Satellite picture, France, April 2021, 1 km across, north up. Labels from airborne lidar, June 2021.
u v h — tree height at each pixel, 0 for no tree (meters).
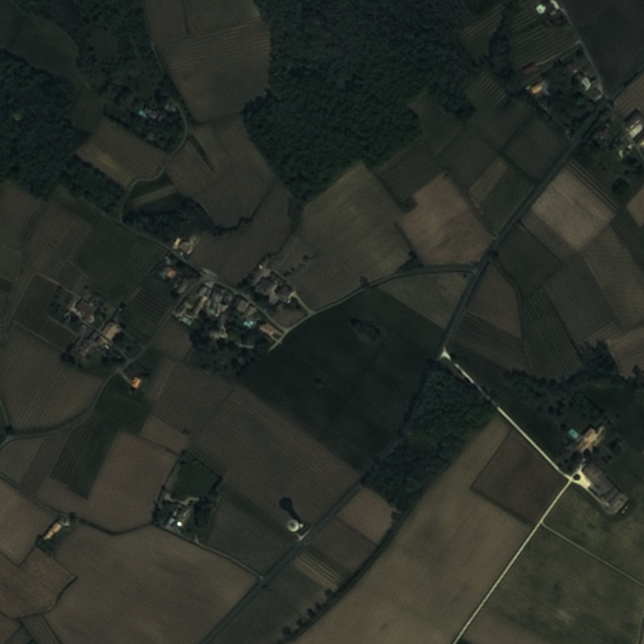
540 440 0
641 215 0
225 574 0
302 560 0
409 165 0
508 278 0
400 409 0
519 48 0
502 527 0
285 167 9
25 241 0
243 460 0
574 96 6
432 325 0
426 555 0
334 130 19
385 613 0
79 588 0
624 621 0
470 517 0
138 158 0
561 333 0
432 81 19
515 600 0
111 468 0
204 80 0
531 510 0
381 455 0
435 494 0
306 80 28
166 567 0
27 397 0
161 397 0
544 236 0
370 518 0
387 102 15
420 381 0
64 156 14
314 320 0
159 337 0
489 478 0
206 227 11
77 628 0
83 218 0
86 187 14
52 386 0
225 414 0
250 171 0
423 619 0
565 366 0
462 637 0
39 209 0
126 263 0
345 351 0
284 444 0
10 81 16
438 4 35
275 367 0
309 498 0
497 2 0
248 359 8
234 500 0
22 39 0
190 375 0
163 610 0
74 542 0
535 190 0
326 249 0
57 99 26
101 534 0
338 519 0
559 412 8
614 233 0
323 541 0
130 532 0
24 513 0
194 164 0
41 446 0
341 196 0
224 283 0
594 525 0
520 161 0
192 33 0
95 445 0
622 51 0
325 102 16
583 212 0
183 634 0
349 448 0
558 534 0
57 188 20
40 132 26
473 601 0
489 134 0
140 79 0
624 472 0
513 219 0
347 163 17
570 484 0
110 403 0
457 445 16
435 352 0
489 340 0
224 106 0
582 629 0
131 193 0
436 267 0
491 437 0
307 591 0
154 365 0
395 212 0
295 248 0
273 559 0
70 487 0
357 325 12
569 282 0
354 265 0
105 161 0
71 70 0
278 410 0
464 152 0
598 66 0
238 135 0
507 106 0
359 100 17
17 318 0
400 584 0
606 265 0
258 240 0
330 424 0
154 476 0
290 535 0
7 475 0
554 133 15
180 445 0
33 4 17
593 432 0
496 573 0
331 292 0
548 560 0
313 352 0
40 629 0
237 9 0
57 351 0
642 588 0
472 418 19
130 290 0
